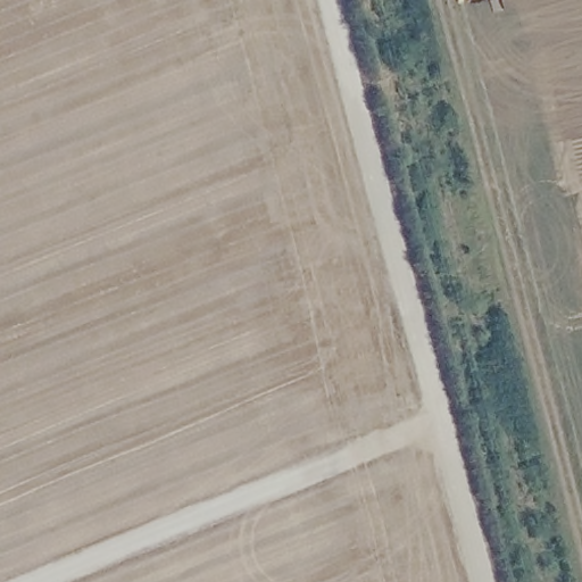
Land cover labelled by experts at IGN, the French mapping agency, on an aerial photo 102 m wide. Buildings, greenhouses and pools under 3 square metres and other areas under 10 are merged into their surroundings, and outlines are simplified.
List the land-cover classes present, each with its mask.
<instances>
[{"label":"agricultural land","instance_id":"1","mask_svg":"<svg viewBox=\"0 0 582 582\"><path fill-rule=\"evenodd\" d=\"M325 0H0V582H11L20 575L61 562L66 557L80 555L109 539L150 525L159 518H166L200 502H209L252 482L300 466L307 459L339 452L348 443L368 437L371 432L391 430L393 425L421 414L423 393L418 386L414 357L389 284V271L384 264L375 216L366 196L352 130L341 95V84L336 77V66L325 34L321 5ZM471 32L475 36V43L480 45V68L498 120V132L512 173L518 209L523 214L525 234L543 302H552L575 311L582 309V0H477L468 9ZM543 348L552 393L557 400L566 448L577 482V493L582 500V330L559 332L555 327H546L539 311L532 314ZM68 582H471L459 555L455 523L448 509V493L443 489V480L437 473L434 452L421 450L416 446H405L386 455L373 457L368 462H361L348 471L334 473L305 489L252 505L209 525H202L193 532L168 539L159 546L127 555L114 564H107L98 571H91Z\"/></svg>","mask_w":582,"mask_h":582},{"label":"brushwood","instance_id":"2","mask_svg":"<svg viewBox=\"0 0 582 582\"><path fill-rule=\"evenodd\" d=\"M341 7L343 23L348 27L350 50L361 73L364 100L371 111L384 173L391 184L393 211L405 239L407 261L416 277V289L423 302L425 323L437 357V368L443 382V391L448 396L459 452L477 507L480 527L489 546L496 582H582V571L577 552L573 548L564 496L557 484V473L548 468L550 446L537 423V414L530 398L532 382L525 375L523 357L516 350V339L509 327V318L496 300L500 296V289L473 291L464 286L459 277H452L450 261L441 255L439 202L446 198L448 189L452 196L468 198L473 184L468 177V159L464 150L457 146L459 114V91L439 68L441 45L430 11L432 0H336ZM384 66L393 73L396 84V95L389 98H384L377 86V70Z\"/></svg>","mask_w":582,"mask_h":582},{"label":"pervious surface","instance_id":"3","mask_svg":"<svg viewBox=\"0 0 582 582\"><path fill-rule=\"evenodd\" d=\"M325 34L336 66V77L341 84V95L352 130L366 196L375 216L384 264L389 271V284L414 357L418 386L423 393L421 414L393 425L391 430L371 432L368 437L348 443L339 452L307 459L300 466L252 482L209 502H200L166 518H159L150 525L109 539L80 555L66 557L61 562L20 575L11 582H68L91 571H98L107 564H114L127 555L159 546L168 539L193 532L202 525H209L252 505L305 489L334 473L348 471L361 462H368L373 457L386 455L405 446H416L421 450L434 452L437 473L443 480V489L448 493V509L455 523L459 555L471 582H496L489 546L480 527L477 507L459 452L448 396L443 391V382L437 368V357L425 323L423 302L416 289V277L407 261L405 239L393 211L391 184L384 173L371 111L364 100L361 73L350 50L348 27L343 23L341 7L336 0H325L321 5ZM477 0H432L430 11L441 45L439 68L459 91V114H464L468 123L475 150L473 161L477 164L487 200L493 207L491 214L496 221V239L500 241L512 286L514 314L509 318V327L516 339V350L523 357L525 375L532 382L530 398L537 414V423L550 446L548 468L557 473V484L564 496L573 548L577 552L582 571V500L577 493V482L566 448L557 400L552 393L543 348L532 314L539 311L546 327H555L559 332L582 330V309L575 311L552 302H543L525 234L523 214L518 209L512 173L498 132V120L480 68V45L475 43V36L471 32L468 9Z\"/></svg>","mask_w":582,"mask_h":582},{"label":"herbaceous vegetation","instance_id":"4","mask_svg":"<svg viewBox=\"0 0 582 582\"><path fill-rule=\"evenodd\" d=\"M377 86L384 98H389L396 95V84L393 73L384 66L377 70ZM457 146L464 150L468 159V177L473 184L468 198L452 196L448 189L446 198L439 202L441 255L450 261L452 277H459L464 286L473 291L500 289V296L496 300L509 318L514 314L512 286L500 241L496 239V221L491 214L493 207L487 200L477 164L473 161L475 150L468 123L464 114H459Z\"/></svg>","mask_w":582,"mask_h":582}]
</instances>
